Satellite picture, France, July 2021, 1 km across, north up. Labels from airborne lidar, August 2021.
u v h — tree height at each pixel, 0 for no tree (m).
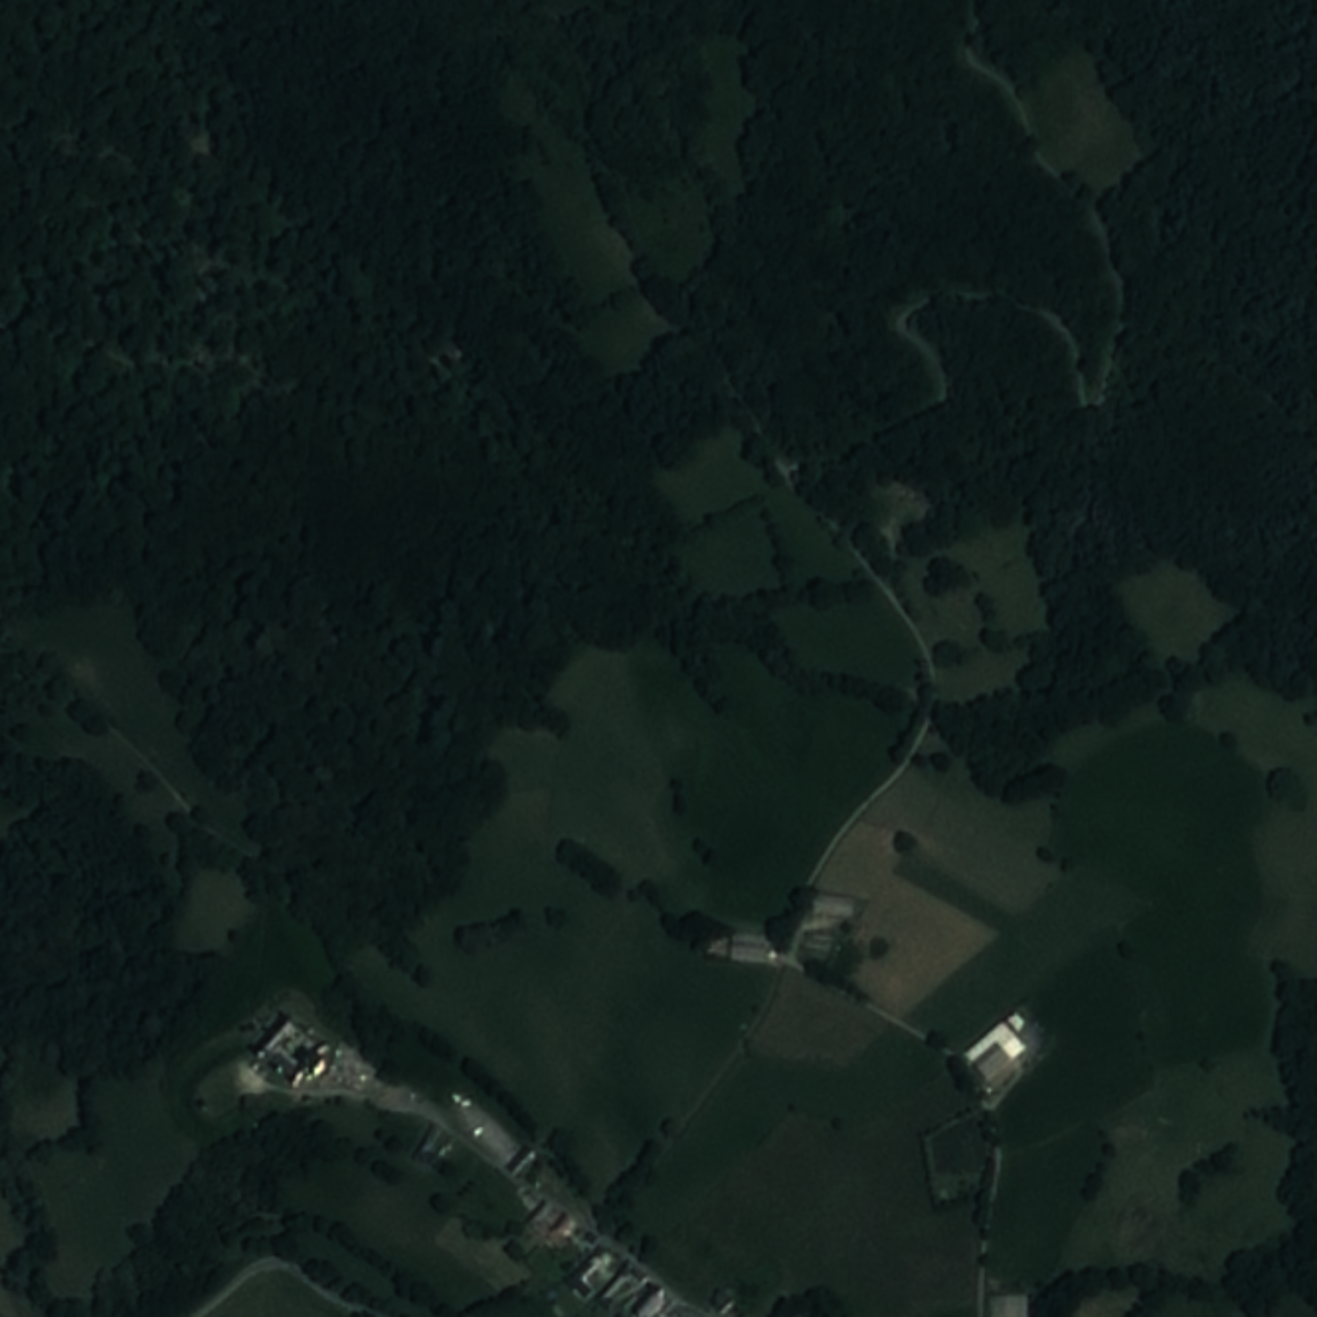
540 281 21
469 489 20
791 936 14
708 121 24
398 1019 19
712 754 0
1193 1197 12
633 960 0
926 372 23
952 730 21
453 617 38
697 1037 0
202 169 33
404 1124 0
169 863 11
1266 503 24
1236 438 22
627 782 0
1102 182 0
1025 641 9
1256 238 23
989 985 0
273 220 35
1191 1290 13
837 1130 8
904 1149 0
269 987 0
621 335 0
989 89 16
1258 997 0
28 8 30
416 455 10
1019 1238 0
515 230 29
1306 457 22
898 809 0
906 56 22
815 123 26
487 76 8
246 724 24
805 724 0
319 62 27
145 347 27
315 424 17
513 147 21
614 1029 0
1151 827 0
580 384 24
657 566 19
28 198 17
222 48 30
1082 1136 0
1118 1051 0
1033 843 0
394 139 22
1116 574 21
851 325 31
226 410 28
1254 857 0
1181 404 20
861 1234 0
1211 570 19
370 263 37
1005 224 28
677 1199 0
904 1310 0
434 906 25
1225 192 27
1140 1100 0
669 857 0
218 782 8
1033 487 26
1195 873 0
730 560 0
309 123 26
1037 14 25
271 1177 14
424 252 33
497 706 19
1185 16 26
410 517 20
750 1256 0
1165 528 23
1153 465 20
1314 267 25
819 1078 0
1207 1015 0
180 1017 12
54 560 29
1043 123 0
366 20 24
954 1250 0
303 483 24
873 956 0
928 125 27
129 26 31
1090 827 0
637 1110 0
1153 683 26
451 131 21
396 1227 0
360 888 26
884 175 28
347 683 28
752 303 25
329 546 25
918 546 19
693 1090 0
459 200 22
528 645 30
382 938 24
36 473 26
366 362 29
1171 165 27
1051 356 25
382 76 26
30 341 31
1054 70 8
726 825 0
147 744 0
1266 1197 0
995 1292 0
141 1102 0
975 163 26
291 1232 21
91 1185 0
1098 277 27
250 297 34
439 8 21
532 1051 0
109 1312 16
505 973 0
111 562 27
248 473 31
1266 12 23
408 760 34
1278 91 23
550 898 0
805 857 0
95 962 23
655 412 22
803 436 25
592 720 0
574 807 0
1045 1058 0
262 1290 0
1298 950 0
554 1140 10
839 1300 6
